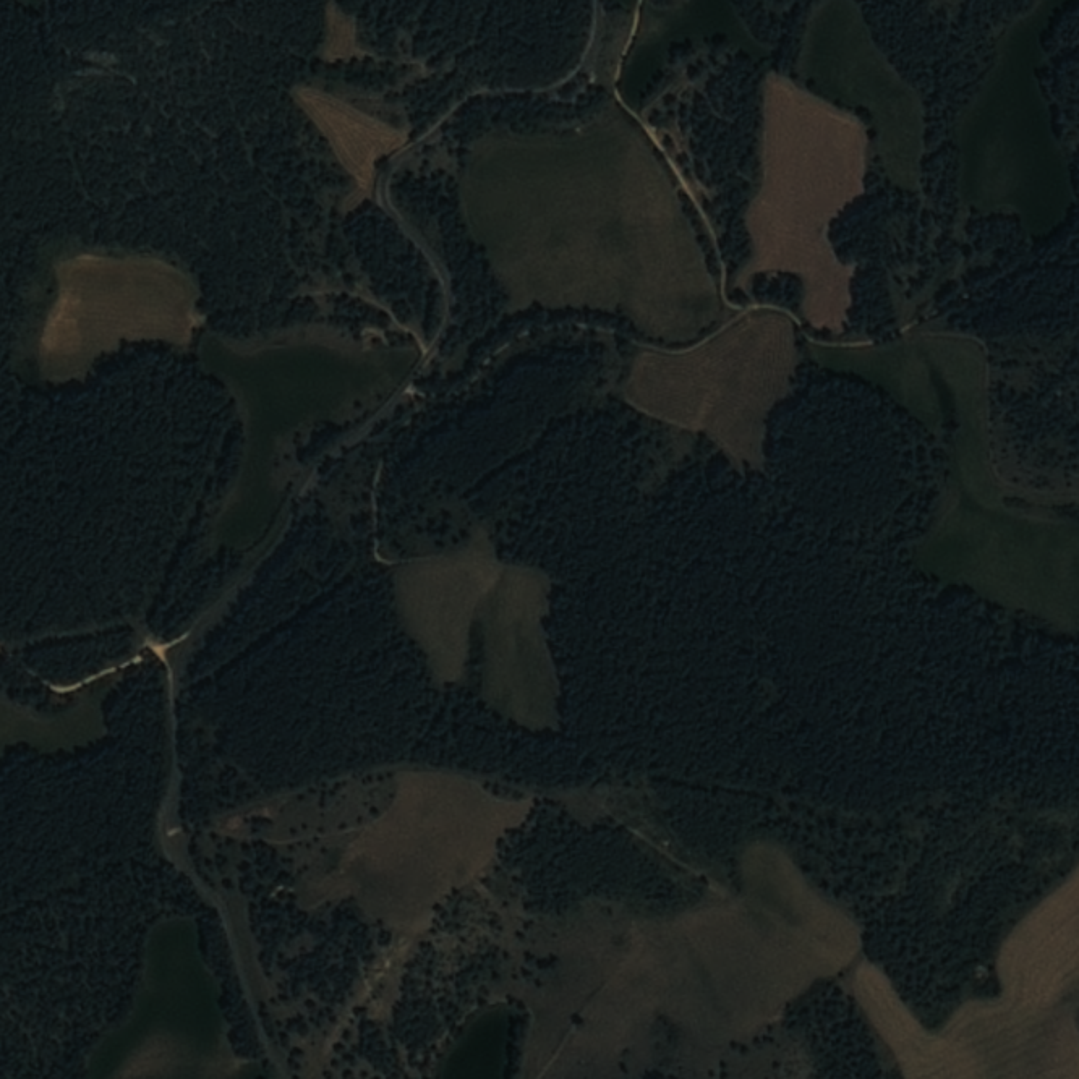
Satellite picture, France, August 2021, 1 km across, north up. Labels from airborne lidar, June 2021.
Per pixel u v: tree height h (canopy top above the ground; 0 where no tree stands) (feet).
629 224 0
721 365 0
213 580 44
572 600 46
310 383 0
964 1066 0
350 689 37
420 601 0
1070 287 42
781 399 0
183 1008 0
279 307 39
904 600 57
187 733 43
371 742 45
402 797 0
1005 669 57
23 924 62
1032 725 56
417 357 0
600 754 37
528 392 47
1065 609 0
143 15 42
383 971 0
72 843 45
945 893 20
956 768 41
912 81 46
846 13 0
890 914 36
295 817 0
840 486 49
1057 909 0
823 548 39
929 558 0
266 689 53
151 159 36
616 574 52
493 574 0
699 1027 0
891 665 52
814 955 0
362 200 0
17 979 34
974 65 56
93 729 0
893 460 55
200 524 41
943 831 32
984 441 0
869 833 32
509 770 21
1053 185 0
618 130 0
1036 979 0
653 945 0
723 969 0
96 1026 54
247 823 21
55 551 47
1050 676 62
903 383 0
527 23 34
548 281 0
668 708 40
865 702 45
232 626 38
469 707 34
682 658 47
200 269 49
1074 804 26
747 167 42
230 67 30
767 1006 0
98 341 0
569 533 38
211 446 66
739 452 0
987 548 0
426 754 45
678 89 0
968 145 0
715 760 47
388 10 37
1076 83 36
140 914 53
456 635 0
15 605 52
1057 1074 0
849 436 45
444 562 0
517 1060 52
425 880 0
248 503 0
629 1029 0
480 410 40
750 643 54
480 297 33
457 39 19
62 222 50
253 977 0
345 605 37
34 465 50
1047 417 18
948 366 0
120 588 52
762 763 55
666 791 40
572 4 50
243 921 0
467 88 28
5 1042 50
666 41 0
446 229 43
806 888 0
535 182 0
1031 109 0
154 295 0
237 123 38
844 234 51
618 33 0
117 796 58
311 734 40
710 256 30
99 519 53
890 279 40
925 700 47
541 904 26
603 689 47
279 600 53
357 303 24
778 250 0
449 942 0
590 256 0
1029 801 27
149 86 33
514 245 0
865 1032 41
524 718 0
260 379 0
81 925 55
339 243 22
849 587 40
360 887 0
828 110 0
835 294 0
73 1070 58
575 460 56
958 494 0
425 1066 31
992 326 59
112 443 58
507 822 0
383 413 0
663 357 0
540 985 34
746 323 0
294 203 30
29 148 47
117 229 42
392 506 47
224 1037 0
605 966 0
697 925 0
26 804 51
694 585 50
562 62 42
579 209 0
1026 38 0
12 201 50
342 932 26
